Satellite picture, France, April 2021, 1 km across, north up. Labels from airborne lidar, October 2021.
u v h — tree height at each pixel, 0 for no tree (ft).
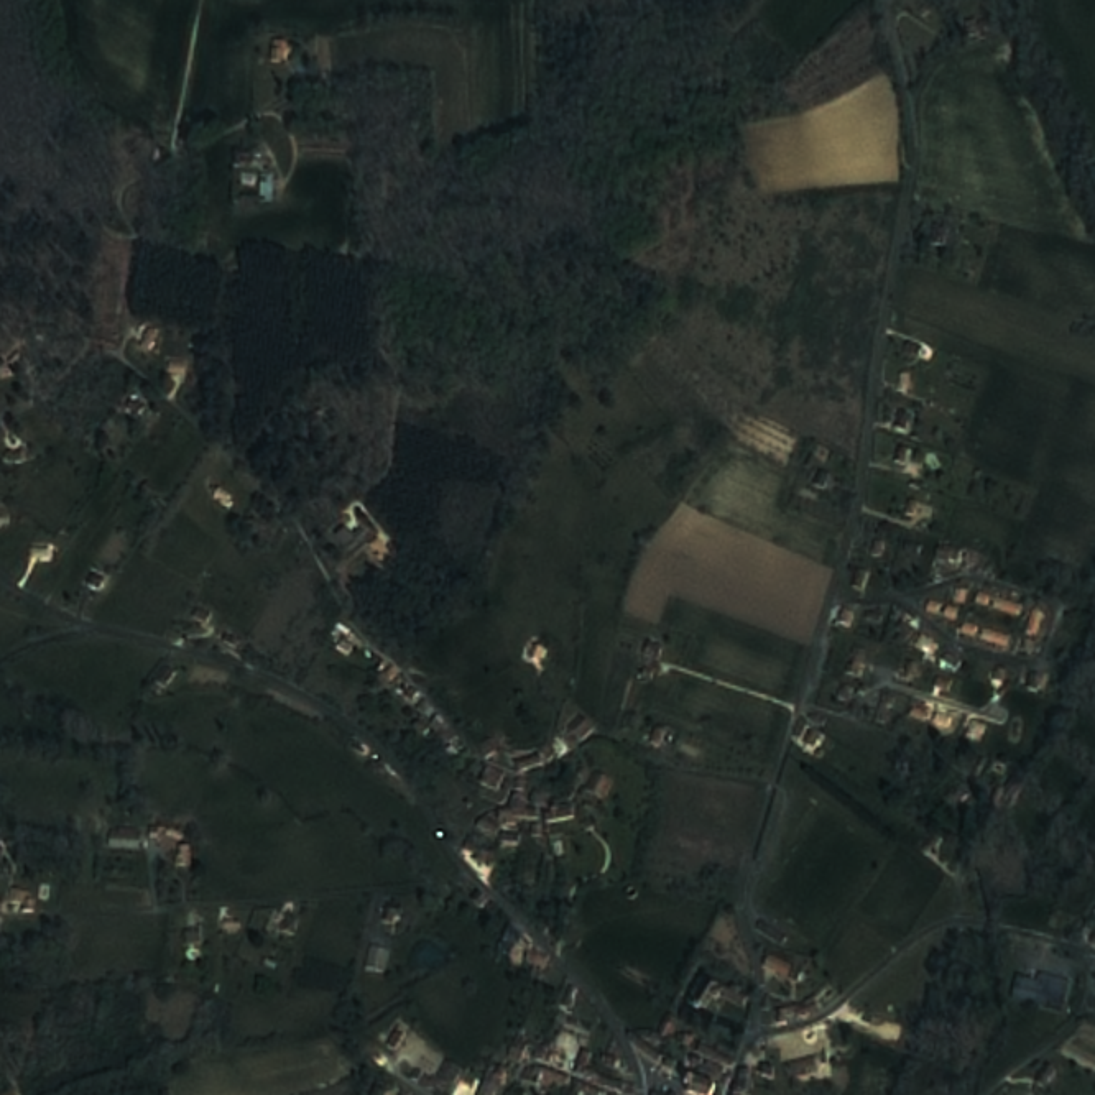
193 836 43
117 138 75
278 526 33
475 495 33
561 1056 20
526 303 39
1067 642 0
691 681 0
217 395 69
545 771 21
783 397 0
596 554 0
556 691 0
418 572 60
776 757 0
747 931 0
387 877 0
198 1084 0
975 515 0
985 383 0
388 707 19
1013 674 0
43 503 0
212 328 58
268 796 41
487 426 26
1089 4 0
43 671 0
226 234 0
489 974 0
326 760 0
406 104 63
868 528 19
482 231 67
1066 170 28
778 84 51
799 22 0
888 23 42
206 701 0
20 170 51
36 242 72
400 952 0
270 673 21
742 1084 0
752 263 0
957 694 0
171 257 55
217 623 0
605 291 45
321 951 0
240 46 0
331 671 22
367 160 53
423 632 68
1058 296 0
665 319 51
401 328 39
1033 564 0
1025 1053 0
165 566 0
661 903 0
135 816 49
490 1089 0
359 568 0
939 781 28
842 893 0
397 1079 0
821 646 0
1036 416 0
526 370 52
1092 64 0
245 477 38
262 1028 0
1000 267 0
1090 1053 0
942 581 0
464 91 0
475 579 23
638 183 73
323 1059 0
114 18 0
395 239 51
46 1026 62
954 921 0
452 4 0
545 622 0
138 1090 25
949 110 0
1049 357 0
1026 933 0
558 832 0
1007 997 28
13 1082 69
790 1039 0
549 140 45
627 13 31
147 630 0
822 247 0
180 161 54
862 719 33
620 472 0
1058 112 52
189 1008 0
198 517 0
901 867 0
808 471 21
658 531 27
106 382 40
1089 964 0
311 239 0
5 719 0
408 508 30
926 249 52
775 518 0
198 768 0
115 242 0
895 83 44
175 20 0
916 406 26
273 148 0
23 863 51
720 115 56
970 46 69
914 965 0
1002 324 0
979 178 0
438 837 0
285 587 0
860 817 45
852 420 0
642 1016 0
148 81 0
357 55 0
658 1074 0
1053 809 104
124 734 0
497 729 0
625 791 0
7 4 47
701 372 23
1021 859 113
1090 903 0
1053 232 0
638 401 0
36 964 76
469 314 71
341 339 42
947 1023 50
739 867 0
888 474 18
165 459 0
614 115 74
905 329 0
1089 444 0
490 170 67
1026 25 73
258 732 0
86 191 62
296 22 0
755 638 0
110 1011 28
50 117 60
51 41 55
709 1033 52
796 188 0
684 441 0
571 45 36
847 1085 0
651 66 51
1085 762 119
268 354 37
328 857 0
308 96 60
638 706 0
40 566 0
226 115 0
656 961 0
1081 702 118
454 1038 0
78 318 54
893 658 0
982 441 0
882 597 0
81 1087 37
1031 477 0
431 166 71
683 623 0
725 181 25
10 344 29
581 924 38
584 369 74
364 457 33
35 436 0
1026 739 0
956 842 48
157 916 0
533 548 0
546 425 73
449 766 34
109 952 0
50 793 0
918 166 0
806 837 0
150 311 59
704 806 0
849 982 0
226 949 0
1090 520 0
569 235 68
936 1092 31
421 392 64
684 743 0
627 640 0
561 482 0
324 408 19
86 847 66
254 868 0
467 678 0
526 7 0
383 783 27
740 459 0
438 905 58
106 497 0
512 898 29
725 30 48
